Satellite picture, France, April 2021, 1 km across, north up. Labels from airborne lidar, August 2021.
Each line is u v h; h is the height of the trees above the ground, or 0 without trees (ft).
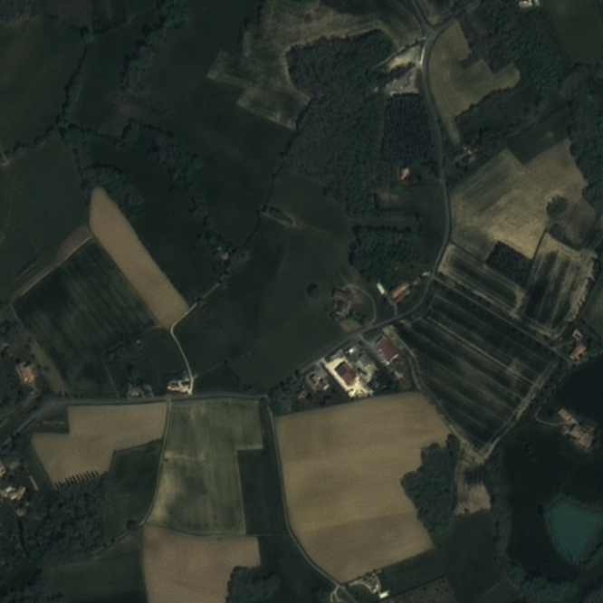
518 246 0
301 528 0
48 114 0
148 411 0
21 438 50
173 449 0
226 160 0
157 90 0
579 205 0
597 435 26
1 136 0
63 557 74
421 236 18
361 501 0
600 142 70
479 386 0
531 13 33
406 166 30
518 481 0
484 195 0
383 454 0
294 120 0
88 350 0
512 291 0
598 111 61
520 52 46
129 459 0
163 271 22
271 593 62
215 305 0
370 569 0
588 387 0
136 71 63
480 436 0
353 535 0
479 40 64
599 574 0
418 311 0
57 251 0
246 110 0
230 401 0
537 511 0
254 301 0
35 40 0
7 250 0
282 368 0
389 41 26
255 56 0
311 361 0
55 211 0
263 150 0
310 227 0
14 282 0
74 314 0
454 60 0
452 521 53
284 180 0
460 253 0
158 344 0
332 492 0
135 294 0
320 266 0
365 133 60
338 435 0
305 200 0
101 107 0
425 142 43
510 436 0
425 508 53
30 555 82
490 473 47
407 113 41
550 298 0
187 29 0
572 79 66
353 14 0
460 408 0
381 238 76
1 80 0
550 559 0
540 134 0
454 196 0
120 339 0
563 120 0
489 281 0
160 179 0
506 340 0
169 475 0
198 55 0
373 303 0
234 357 0
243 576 47
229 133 0
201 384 0
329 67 55
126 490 0
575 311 0
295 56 44
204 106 0
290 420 0
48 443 0
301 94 0
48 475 0
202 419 0
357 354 0
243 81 0
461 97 0
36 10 54
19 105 0
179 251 0
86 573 0
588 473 0
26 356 0
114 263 0
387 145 40
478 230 0
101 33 21
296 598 0
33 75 0
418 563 0
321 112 50
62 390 0
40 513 33
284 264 0
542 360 0
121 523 0
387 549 0
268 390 0
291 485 0
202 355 0
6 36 0
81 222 0
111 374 0
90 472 0
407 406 0
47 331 0
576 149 45
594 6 0
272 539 0
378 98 58
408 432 0
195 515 0
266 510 0
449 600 0
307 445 0
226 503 0
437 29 0
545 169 0
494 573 0
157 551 0
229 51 0
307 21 0
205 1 0
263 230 0
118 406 0
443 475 55
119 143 22
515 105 0
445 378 0
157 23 0
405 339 0
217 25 0
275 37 0
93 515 32
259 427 0
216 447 0
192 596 0
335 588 0
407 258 46
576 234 0
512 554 0
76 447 0
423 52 0
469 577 0
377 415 0
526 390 0
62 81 0
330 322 0
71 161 0
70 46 0
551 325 0
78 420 0
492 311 0
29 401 0
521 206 0
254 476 0
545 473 0
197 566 0
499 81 0
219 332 0
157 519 0
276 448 0
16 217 0
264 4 28
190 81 0
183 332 0
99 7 0
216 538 0
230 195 0
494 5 76
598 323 0
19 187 0
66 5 0
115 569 0
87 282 0
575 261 0
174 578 0
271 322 0
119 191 58
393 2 0
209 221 30
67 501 24
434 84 0
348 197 60
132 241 0
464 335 0
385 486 0
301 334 0
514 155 0
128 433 0
